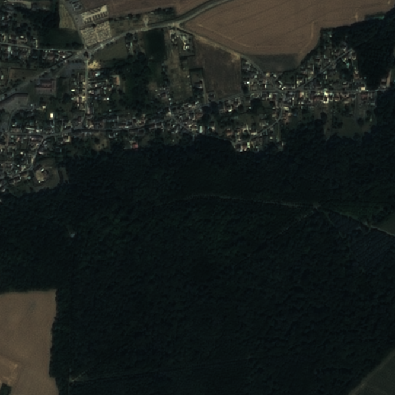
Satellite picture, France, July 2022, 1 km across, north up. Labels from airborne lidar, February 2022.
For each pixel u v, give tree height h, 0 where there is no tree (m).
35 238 23
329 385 24
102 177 25
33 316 0
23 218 19
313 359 18
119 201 24
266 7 0
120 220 18
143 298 18
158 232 13
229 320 8
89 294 17
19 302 0
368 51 12
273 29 0
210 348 16
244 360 9
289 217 6
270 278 17
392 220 0
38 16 7
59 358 16
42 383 0
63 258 20
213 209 11
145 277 22
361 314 15
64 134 0
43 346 0
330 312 22
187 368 11
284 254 16
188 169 12
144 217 19
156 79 0
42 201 20
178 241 22
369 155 32
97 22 0
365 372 18
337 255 27
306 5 0
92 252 9
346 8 0
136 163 25
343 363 25
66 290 19
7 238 14
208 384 13
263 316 24
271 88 0
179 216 20
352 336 27
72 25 0
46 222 18
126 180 11
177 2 0
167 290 25
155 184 20
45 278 18
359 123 12
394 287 28
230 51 0
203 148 23
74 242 22
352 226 14
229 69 0
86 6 0
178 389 15
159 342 19
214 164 20
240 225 21
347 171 27
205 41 0
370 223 25
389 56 16
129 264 24
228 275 19
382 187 12
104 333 25
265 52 0
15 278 19
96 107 0
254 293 21
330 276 28
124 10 0
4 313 0
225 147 16
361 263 16
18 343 0
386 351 18
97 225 17
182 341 19
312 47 0
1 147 0
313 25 0
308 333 9
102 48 0
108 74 8
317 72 13
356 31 20
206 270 9
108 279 21
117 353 12
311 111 0
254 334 17
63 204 9
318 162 26
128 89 0
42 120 0
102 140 0
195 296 23
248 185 16
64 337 17
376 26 17
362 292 27
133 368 25
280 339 21
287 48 0
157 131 6
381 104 24
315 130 15
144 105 9
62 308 17
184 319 21
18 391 0
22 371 0
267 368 16
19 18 0
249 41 0
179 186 23
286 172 14
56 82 0
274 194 9
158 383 29
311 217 9
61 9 0
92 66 0
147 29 0
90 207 25
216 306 17
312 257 14
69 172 14
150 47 0
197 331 20
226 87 0
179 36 0
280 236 7
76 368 7
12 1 0
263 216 17
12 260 18
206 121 17
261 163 29
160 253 17
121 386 16
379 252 13
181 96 0
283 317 28
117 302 22
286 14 0
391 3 0
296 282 20
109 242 21
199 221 16
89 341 13
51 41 0
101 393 13
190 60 0
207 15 0
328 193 11
